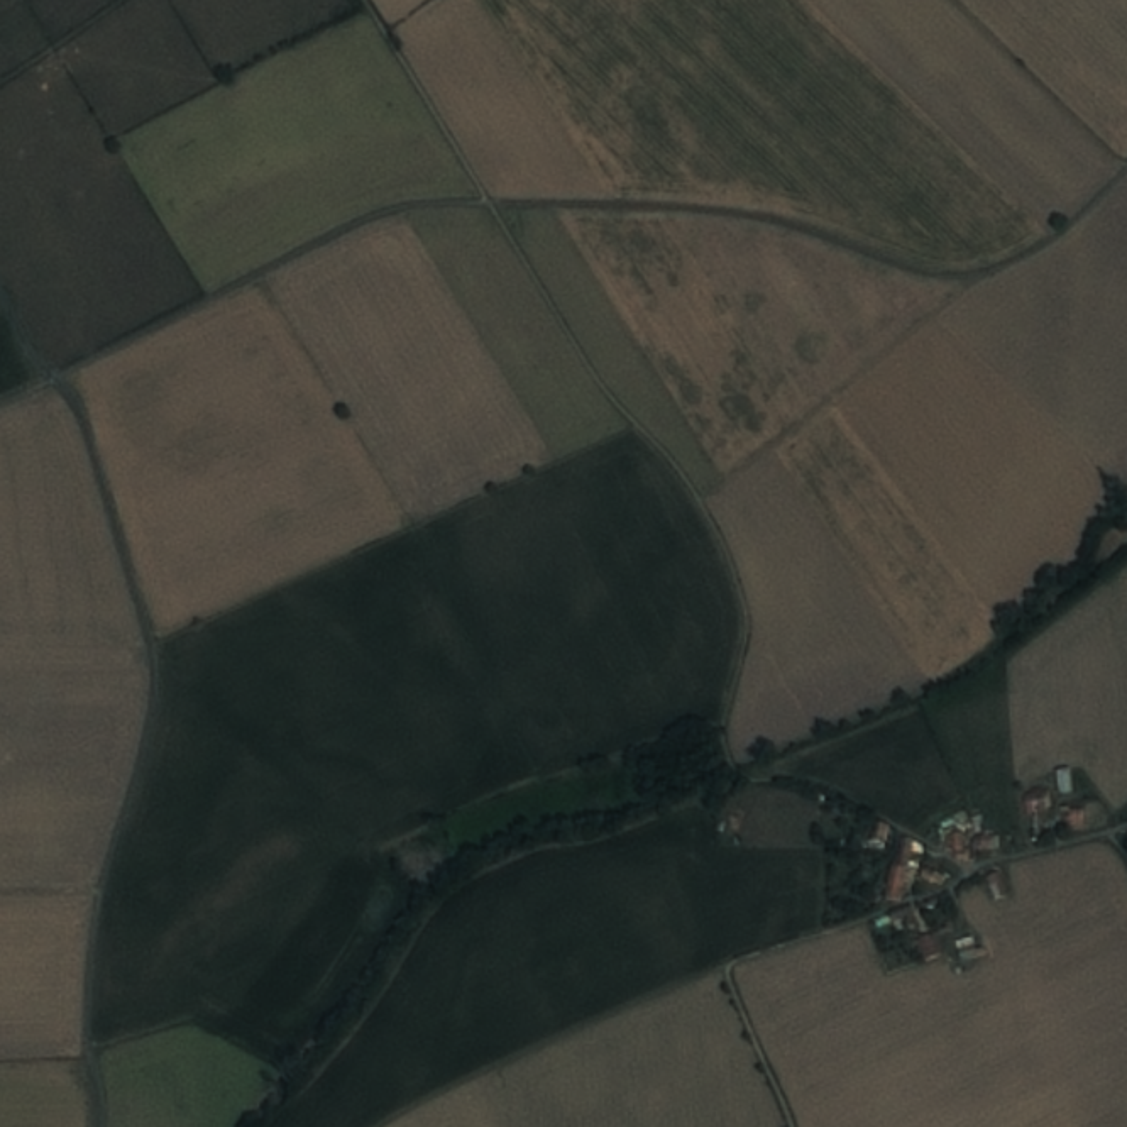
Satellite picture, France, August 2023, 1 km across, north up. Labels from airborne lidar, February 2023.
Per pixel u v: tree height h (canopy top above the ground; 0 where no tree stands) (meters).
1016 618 21
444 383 0
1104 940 0
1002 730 0
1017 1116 0
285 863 0
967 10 0
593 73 0
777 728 0
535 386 0
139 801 0
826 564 0
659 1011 0
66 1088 0
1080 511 0
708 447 0
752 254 0
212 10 0
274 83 0
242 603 0
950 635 0
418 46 0
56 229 0
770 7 0
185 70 0
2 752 0
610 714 0
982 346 0
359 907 0
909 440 0
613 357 0
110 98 0
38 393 0
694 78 0
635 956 0
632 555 0
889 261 0
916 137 0
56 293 0
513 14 0
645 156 0
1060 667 0
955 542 0
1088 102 0
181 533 0
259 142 0
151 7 0
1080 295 0
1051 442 0
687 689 0
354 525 0
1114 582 0
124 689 0
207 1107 0
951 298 0
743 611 0
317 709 0
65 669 0
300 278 0
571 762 0
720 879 0
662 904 0
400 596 0
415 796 0
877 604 0
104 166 0
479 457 0
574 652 0
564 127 0
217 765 0
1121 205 0
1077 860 0
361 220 0
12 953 0
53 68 0
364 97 0
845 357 0
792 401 0
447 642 0
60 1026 0
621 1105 0
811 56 0
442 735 0
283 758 0
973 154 0
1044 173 0
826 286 0
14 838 0
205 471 0
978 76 0
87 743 0
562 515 0
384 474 0
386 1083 0
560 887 0
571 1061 0
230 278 0
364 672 0
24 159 0
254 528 0
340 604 0
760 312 0
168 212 0
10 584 0
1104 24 0
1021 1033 0
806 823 0
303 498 0
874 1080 0
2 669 0
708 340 0
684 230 0
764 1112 0
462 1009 0
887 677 0
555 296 0
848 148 0
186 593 0
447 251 0
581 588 0
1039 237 0
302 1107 0
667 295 0
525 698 0
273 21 0
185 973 0
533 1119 0
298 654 0
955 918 9
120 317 0
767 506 0
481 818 0
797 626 0
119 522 0
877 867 8
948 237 0
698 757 13
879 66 0
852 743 0
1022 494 0
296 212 0
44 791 0
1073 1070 0
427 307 0
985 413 0
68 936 0
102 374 0
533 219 0
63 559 0
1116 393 0
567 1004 0
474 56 0
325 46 0
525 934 0
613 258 0
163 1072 0
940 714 0
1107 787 0
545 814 0
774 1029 0
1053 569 13
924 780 0
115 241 0
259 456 0
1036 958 0
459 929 0
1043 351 0
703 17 0
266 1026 0
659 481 0
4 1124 0
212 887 0
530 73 0
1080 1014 0
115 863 0
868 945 0
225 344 0
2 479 0
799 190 0
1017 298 0
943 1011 0
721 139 0
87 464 0
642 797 6
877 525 0
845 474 0
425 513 0
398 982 0
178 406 0
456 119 0
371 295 0
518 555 0
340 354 0
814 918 0
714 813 23
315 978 0
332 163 0
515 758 0
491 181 0
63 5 0
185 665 0
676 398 0
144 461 0
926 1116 0
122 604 0
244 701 0
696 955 0
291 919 0
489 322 0
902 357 0
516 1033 0
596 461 0
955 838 0
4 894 0
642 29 0
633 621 0
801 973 0
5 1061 0
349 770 0
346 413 12
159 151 0
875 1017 0
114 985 0
